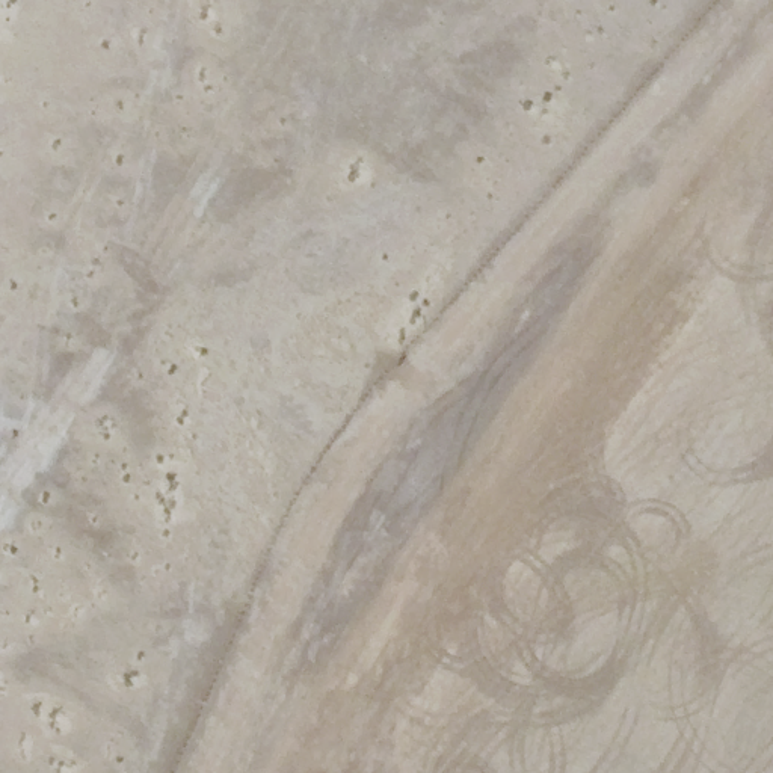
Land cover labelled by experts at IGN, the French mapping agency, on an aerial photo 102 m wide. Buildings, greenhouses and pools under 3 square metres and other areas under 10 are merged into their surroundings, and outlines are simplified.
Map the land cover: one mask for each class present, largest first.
<instances>
[{"label":"bare soil","instance_id":"1","mask_svg":"<svg viewBox=\"0 0 773 773\"><path fill-rule=\"evenodd\" d=\"M0 773H773V0H0Z\"/></svg>","mask_w":773,"mask_h":773}]
</instances>
